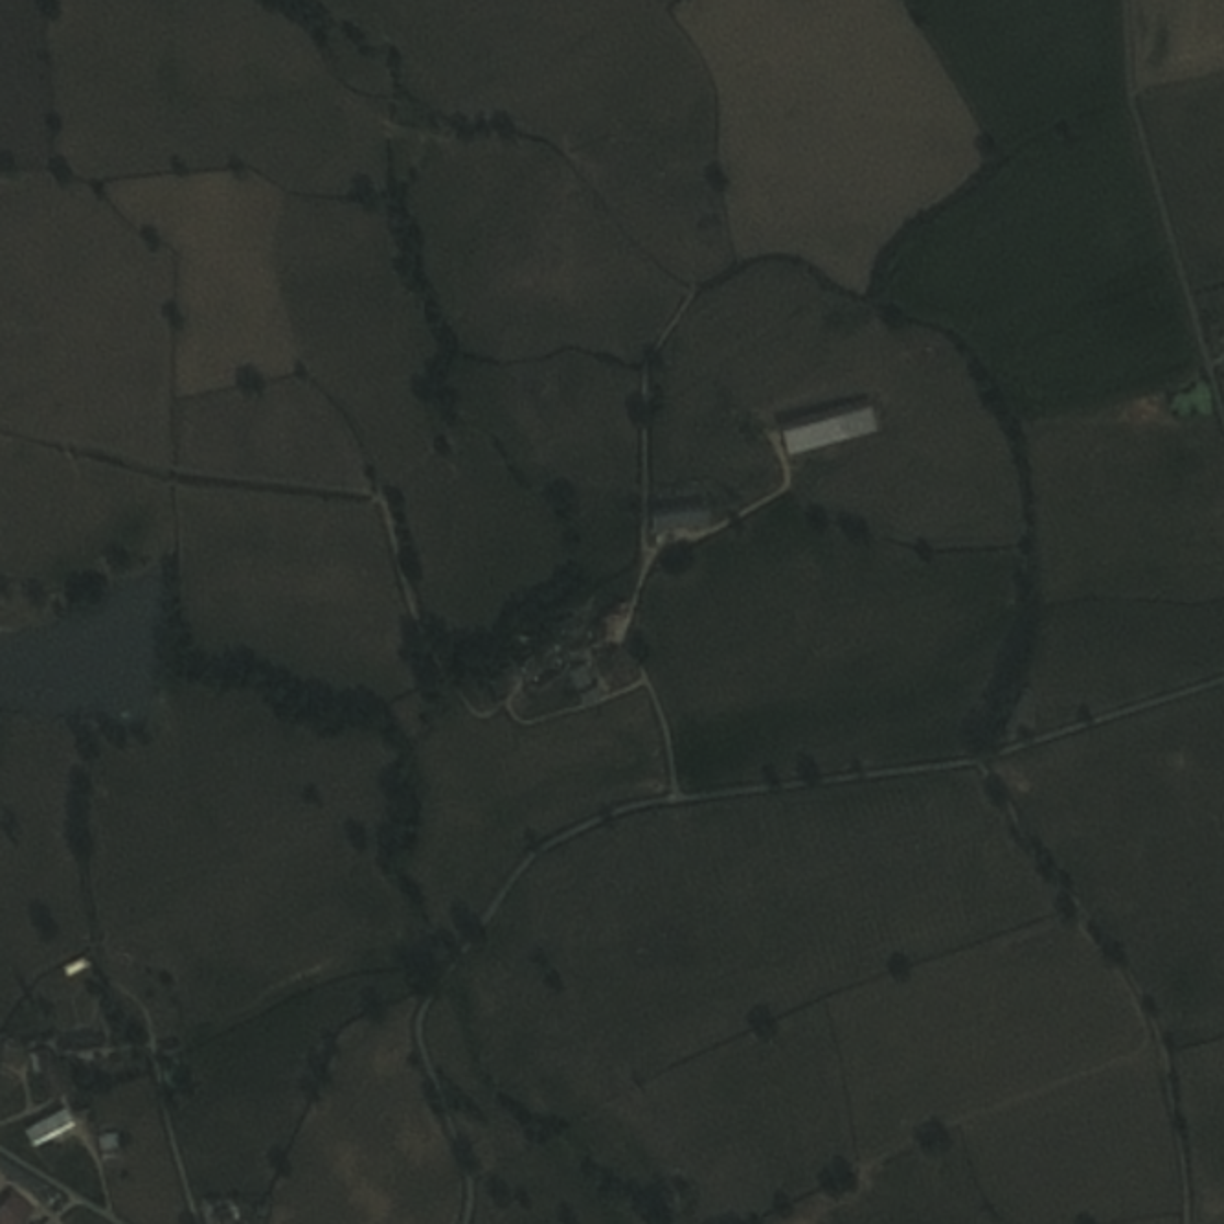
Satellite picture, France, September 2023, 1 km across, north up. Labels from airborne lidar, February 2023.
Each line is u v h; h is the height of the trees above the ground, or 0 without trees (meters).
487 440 0
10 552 0
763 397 0
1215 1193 0
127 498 0
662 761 0
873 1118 0
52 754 0
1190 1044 0
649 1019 0
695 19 0
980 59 0
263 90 0
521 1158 0
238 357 0
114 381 0
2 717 0
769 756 0
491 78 0
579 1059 0
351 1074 0
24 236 0
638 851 0
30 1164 0
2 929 0
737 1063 0
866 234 0
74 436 0
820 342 0
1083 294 0
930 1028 0
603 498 0
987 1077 0
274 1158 10
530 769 0
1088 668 0
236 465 0
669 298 0
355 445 0
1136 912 0
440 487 0
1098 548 0
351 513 0
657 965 0
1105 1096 0
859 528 15
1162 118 0
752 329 0
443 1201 0
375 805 0
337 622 0
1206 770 0
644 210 0
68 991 0
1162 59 0
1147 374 0
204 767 0
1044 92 0
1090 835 0
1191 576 0
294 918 0
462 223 0
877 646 0
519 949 0
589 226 0
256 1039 0
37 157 0
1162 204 0
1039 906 0
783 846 0
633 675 0
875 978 0
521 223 0
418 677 17
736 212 0
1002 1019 0
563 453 0
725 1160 0
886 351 0
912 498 0
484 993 0
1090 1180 0
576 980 0
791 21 0
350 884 0
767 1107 0
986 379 16
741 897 0
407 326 0
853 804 0
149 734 14
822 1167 0
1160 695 0
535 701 0
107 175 0
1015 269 0
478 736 0
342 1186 0
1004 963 0
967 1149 0
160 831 0
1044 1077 0
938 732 0
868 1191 0
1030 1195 0
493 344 0
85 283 0
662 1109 0
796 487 0
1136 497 0
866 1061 0
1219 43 0
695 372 0
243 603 0
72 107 0
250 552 0
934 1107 0
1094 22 0
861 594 0
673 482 0
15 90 0
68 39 0
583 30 0
